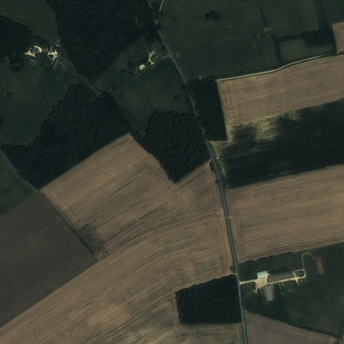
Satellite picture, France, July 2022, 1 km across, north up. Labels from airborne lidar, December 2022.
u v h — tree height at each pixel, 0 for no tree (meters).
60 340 0
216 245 0
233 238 0
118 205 0
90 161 0
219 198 0
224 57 0
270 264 0
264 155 0
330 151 0
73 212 0
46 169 20
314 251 0
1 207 0
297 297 0
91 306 0
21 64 13
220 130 16
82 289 0
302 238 0
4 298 0
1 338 0
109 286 0
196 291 20
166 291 0
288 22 0
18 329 0
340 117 0
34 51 0
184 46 0
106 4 22
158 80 0
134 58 0
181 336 0
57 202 0
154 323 0
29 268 0
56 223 0
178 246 0
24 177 20
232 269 10
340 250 0
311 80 0
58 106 7
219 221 0
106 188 0
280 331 0
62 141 17
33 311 0
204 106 18
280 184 0
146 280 0
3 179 0
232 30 0
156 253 0
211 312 17
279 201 0
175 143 22
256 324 0
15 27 29
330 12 0
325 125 0
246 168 0
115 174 0
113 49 29
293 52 0
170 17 0
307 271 0
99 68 22
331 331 0
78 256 0
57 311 0
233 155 0
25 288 0
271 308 0
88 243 0
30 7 0
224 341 0
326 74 0
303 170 0
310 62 0
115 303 0
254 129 0
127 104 0
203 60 0
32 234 0
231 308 16
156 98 0
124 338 0
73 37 25
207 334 0
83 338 0
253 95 0
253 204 0
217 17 21
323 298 0
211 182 0
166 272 0
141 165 0
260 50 0
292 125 0
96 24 26
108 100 18
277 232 0
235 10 0
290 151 0
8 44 33
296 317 0
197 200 0
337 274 0
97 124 19
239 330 0
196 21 0
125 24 24
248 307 0
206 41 0
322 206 0
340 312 0
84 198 0
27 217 0
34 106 0
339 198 0
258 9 0
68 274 0
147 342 0
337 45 0
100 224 0
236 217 0
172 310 0
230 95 0
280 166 0
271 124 0
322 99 0
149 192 0
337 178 0
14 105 0
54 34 0
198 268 0
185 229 0
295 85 0
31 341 0
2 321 0
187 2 0
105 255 0
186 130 25
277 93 0
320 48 0
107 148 0
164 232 0
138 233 0
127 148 0
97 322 0
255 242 0
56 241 0
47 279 0
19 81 0
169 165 20
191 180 0
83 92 22
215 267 0
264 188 0
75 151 8
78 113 24
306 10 0
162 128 20
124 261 0
